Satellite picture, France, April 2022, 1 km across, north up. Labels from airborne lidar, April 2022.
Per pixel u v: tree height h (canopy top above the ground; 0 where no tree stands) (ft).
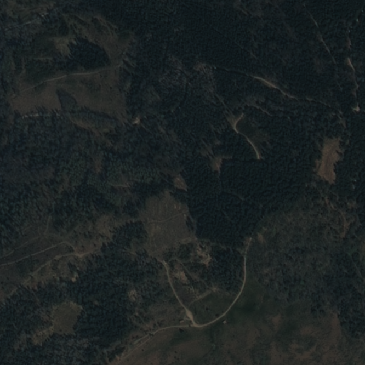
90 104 0
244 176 91
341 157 113
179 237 0
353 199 77
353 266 103
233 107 38
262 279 44
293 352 0
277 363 0
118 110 0
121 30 29
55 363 72
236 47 63
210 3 70
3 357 81
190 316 0
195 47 58
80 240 0
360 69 49
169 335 0
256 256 62
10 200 109
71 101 102
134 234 72
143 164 99
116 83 0
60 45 0
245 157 86
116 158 104
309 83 86
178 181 0
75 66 82
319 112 65
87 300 96
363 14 35
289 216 20
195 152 71
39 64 25
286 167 96
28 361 69
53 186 83
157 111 64
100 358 32
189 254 20
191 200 74
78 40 0
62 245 0
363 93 55
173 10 59
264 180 88
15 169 93
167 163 100
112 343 81
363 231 85
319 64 55
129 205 61
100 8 62
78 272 61
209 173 89
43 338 0
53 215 91
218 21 67
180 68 56
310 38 60
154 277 95
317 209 71
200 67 59
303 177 100
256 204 88
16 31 60
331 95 59
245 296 0
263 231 67
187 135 78
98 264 50
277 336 0
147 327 0
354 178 101
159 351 0
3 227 113
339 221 22
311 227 81
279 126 76
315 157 94
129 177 117
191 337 0
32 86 0
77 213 30
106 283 40
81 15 110
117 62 0
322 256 93
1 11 41
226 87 54
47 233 0
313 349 0
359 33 53
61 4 74
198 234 20
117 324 71
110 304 63
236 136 75
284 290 49
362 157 79
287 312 0
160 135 87
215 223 75
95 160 100
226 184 106
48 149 42
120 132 79
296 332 0
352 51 37
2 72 72
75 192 18
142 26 61
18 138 69
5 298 0
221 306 0
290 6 68
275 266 83
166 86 67
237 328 0
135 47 67
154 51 62
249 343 0
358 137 102
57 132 66
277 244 18
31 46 41
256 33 45
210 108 66
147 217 0
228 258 80
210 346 0
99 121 94
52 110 0
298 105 51
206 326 0
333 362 0
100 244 0
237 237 89
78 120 94
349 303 87
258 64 54
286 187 98
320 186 88
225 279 44
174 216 0
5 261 0
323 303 54
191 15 65
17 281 0
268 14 84
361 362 0
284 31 79
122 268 68
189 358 0
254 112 59
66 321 0
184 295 0
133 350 0
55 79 0
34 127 19
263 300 0
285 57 65
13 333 64
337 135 73
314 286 67
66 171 97
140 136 54
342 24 38
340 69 48
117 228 0
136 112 42
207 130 70
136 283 57
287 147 56
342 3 47
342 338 0
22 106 0
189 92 69
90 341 85
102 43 0
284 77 61
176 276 0
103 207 108
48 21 83
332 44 53
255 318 0
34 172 84
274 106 98
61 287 62
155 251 0
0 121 133
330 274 88
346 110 74
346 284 86
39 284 0
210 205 94
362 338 41
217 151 64
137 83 59
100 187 120
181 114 64
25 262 28
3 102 26
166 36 56
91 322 80
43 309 86
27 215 85
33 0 0
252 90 62
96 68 91
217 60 68
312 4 53
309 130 63
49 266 0
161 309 0
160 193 56
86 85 23
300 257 76
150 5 71
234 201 81
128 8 69
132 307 63
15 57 23
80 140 117
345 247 105
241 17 46
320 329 0
